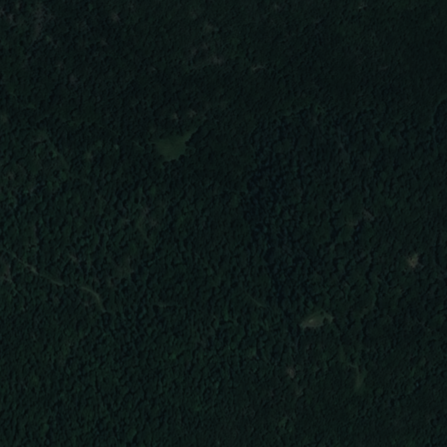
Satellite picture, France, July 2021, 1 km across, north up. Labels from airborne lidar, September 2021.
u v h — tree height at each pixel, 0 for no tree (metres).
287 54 22
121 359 27
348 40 19
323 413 27
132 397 36
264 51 18
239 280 26
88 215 34
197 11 10
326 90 21
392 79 16
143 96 16
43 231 36
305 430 21
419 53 21
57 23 12
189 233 22
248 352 37
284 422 22
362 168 32
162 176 30
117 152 10
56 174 21
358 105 27
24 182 20
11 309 18
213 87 19
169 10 12
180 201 28
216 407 14
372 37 24
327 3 19
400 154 34
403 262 35
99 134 31
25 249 37
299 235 30
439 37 25
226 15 11
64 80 21
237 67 24
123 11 15
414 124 23
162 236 21
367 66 18
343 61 16
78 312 27
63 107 13
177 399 28
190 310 21
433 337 9
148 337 25
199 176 30
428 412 22
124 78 20
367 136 36
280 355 31
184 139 0
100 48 21
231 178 23
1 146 23
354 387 14
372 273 38
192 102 27
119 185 27
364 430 16
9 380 27
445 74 18
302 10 15
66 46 24
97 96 29
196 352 34
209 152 11
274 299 36
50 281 25
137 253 30
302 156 23
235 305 31
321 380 19
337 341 26
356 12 10
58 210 34
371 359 28
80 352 34
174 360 32
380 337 33
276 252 40
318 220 29
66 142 32
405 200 29
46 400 25
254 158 22
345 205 38
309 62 30
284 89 10
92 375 36
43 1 12
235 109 28
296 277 34
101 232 33
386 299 35
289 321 11
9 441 31
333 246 30
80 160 23
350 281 37
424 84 20
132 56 11
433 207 29
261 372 31
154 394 33
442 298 29
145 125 31
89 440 29
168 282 35
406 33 19
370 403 24
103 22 18
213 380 25
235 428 17
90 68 15
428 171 28
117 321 34
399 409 21
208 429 19
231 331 31
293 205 32
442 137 20
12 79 23
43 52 31
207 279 24
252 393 25
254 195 10
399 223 27
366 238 34
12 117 7
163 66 37
